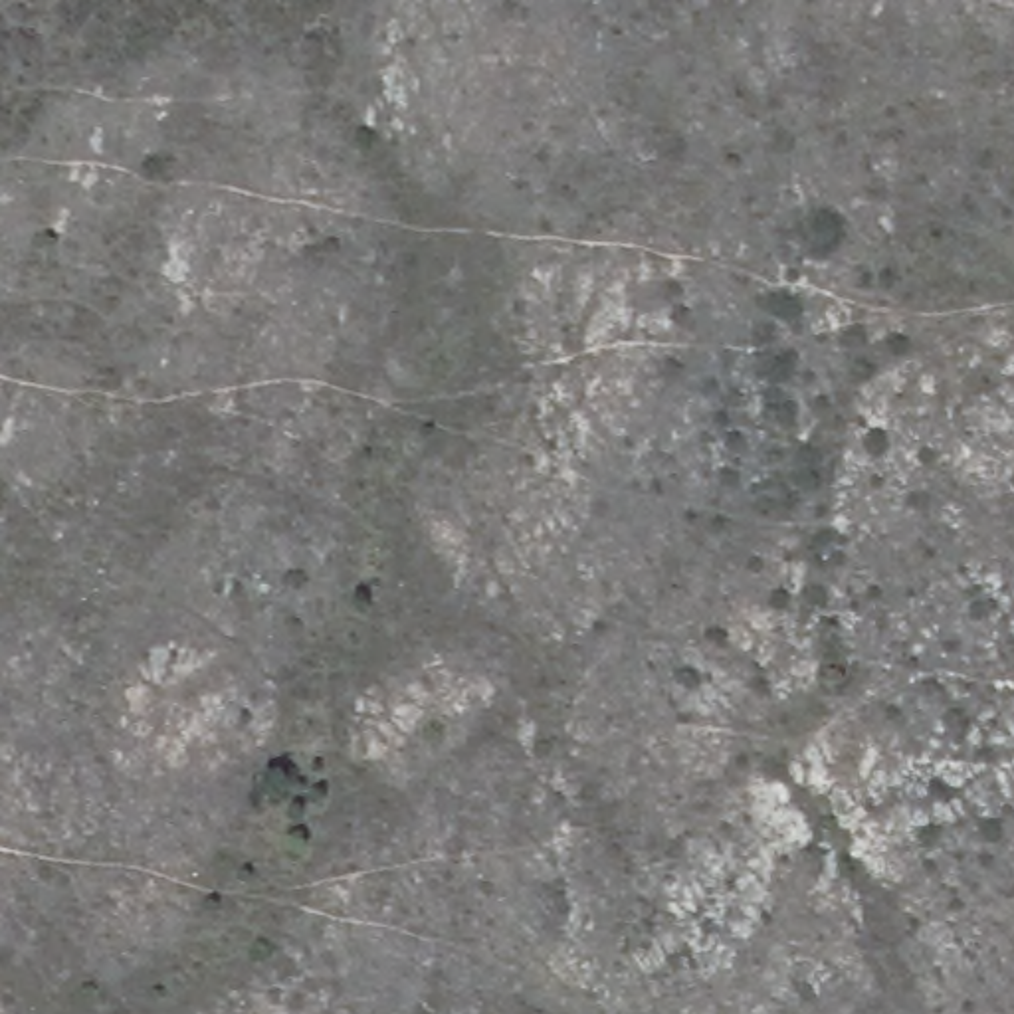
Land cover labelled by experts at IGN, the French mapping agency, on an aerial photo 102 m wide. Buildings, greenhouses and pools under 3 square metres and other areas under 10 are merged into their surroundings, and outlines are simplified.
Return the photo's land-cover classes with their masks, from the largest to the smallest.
<instances>
[{"label":"bare soil","instance_id":"1","mask_svg":"<svg viewBox=\"0 0 1014 1014\"><path fill-rule=\"evenodd\" d=\"M396 131V162L404 174L420 178L428 194H440L452 174L475 170L479 178L463 194V214L519 218V230H487V238L503 242V257L523 273L519 293L527 301V333L519 349L531 384H471V396L499 400L495 416L467 428V440H475L479 452L467 456L463 467L424 459L412 483V511L432 531L440 555L452 562L448 606L456 614L483 606L499 622V634H479L471 650L424 658L408 673L412 685L392 677L388 685H368L356 697V709L349 717V757L372 761L388 776V784H396L400 796L416 808V824H400L384 848L325 860L317 879H309L305 911L297 919H285L277 951L269 955L261 974L250 982V990H230L238 1014H1014V0H0V1014H55L63 1006L67 982L123 978L139 966H151V951H174L182 943V923L194 915V903L178 887H194L206 907H222V891H202V867H210V856L218 852V828L238 820V812L250 804L246 796L265 764L289 772L293 764V757L265 753L277 721V669L293 661L285 614H297L305 630H325L321 614H313L309 602H329L345 590L337 582V566L329 562V555L345 539L341 491L349 487V456L360 448L364 428L392 408V396L380 388H345L337 380H325L337 341L368 345L364 321L349 313V301L364 285L388 281L372 261L376 238L384 226H392L396 214L388 210L380 182L360 174L356 151L376 147L384 135ZM812 206L836 210L844 218V246L828 257H816L808 250ZM776 289L824 297L828 313L808 321L816 333L863 325L871 341H887L891 333L911 337L907 356H899L891 368L860 384V412L852 416L844 436V459L832 483L836 535L820 551L824 558H836L844 551V566L836 570L828 606L816 610L800 594L804 562H784L780 570L737 566L721 578L689 570L685 594L658 598L654 570H661V551L677 558H689L693 551V543L685 539V511H705L709 483L701 479V467H725V440L701 444L697 420H705L725 400V392L733 388V372L757 376L753 329H776L780 313L764 309V297ZM820 622L844 626V661L867 669V681L863 689L832 697L828 717L812 733L808 749L792 757L788 776L753 780L741 764H733L729 705L749 689V677L761 669L780 701H788L792 693H808L820 669ZM800 784H812L832 800L836 820L852 832V856L875 879L887 883V891L867 907H860V891H852L840 875L836 856H824V871L816 875L808 860L796 852L800 844H808V820L792 808V792Z\"/></svg>","mask_w":1014,"mask_h":1014},{"label":"herbaceous vegetation","instance_id":"2","mask_svg":"<svg viewBox=\"0 0 1014 1014\"><path fill-rule=\"evenodd\" d=\"M396 131L384 135L376 147L356 151L360 174L380 182L388 210L396 214L392 226H384L376 238L372 261L388 281L364 285L349 301V313L364 321L368 345L337 341L325 380H337L345 388H380L392 396V408L364 428L360 448L349 456V487L341 491L345 539L329 555V562L337 566V582L345 590L329 602H309L313 614H321L325 630H305L297 614H285L293 661L277 669V721L265 753L293 757V764L309 780H329V792L305 804V840L289 836V804H250L238 812V820L218 828V852L210 856V867H202V891H222V907H206L194 887H178L194 903V915L182 923V943L174 951H151V966H139L123 978L67 982L63 1006L55 1014H238L230 990H250V982L261 974L269 955L277 951L285 919H297L305 911L309 879H317L325 860L384 848L400 824H416V808L400 796L396 784H388V776L372 761L349 757V717L356 709V697L368 685H388L392 677L412 685L408 673L424 658L471 650L479 634H499V622L483 606L456 614L448 606L452 562L440 555L432 531L412 511V483L424 459L463 467L467 456L479 452L475 440H467V428L495 416L499 400L471 396V384H531L519 349L527 333V301L519 293L523 273L503 257V242L487 238V230H519V218L463 214V194L479 178L475 170L452 174L440 194H428L420 178L404 174L396 162Z\"/></svg>","mask_w":1014,"mask_h":1014},{"label":"brushwood","instance_id":"3","mask_svg":"<svg viewBox=\"0 0 1014 1014\"><path fill-rule=\"evenodd\" d=\"M844 246V218L836 210L812 206L808 250L816 257H828ZM764 309L780 313L776 329H753L757 376L733 372V388L725 392V400L705 420H697L701 444L725 440V467H701V479L709 483L705 511H685V539L693 543V551L689 558H677L661 551V570H654L658 598L685 594L689 570L721 578L737 566L780 570L784 562H804L800 594L816 610L828 606L836 570L844 566V551L836 558H824L820 551L836 535L832 483L844 459V436L852 416L860 412V384L891 368L899 356H907L911 337L891 333L887 341H871L863 325L816 333L808 321L828 313L824 297L776 289L764 297ZM820 669L808 693H792L788 701H780L761 669L749 677V689L729 705L733 764H741L753 780L788 776L792 757L808 749L812 733L828 717L832 697L863 689L867 681V669L844 661V626L820 622ZM329 792V780H309L293 764L289 772L265 764L246 796L250 804H289V836L305 840V804ZM792 808L808 820V844H800L796 852L808 860L816 875L824 871V856H836L840 875L852 891H860V907H867L887 891V883L875 879L852 856V832L836 820L832 800L812 784H800L792 792Z\"/></svg>","mask_w":1014,"mask_h":1014}]
</instances>
